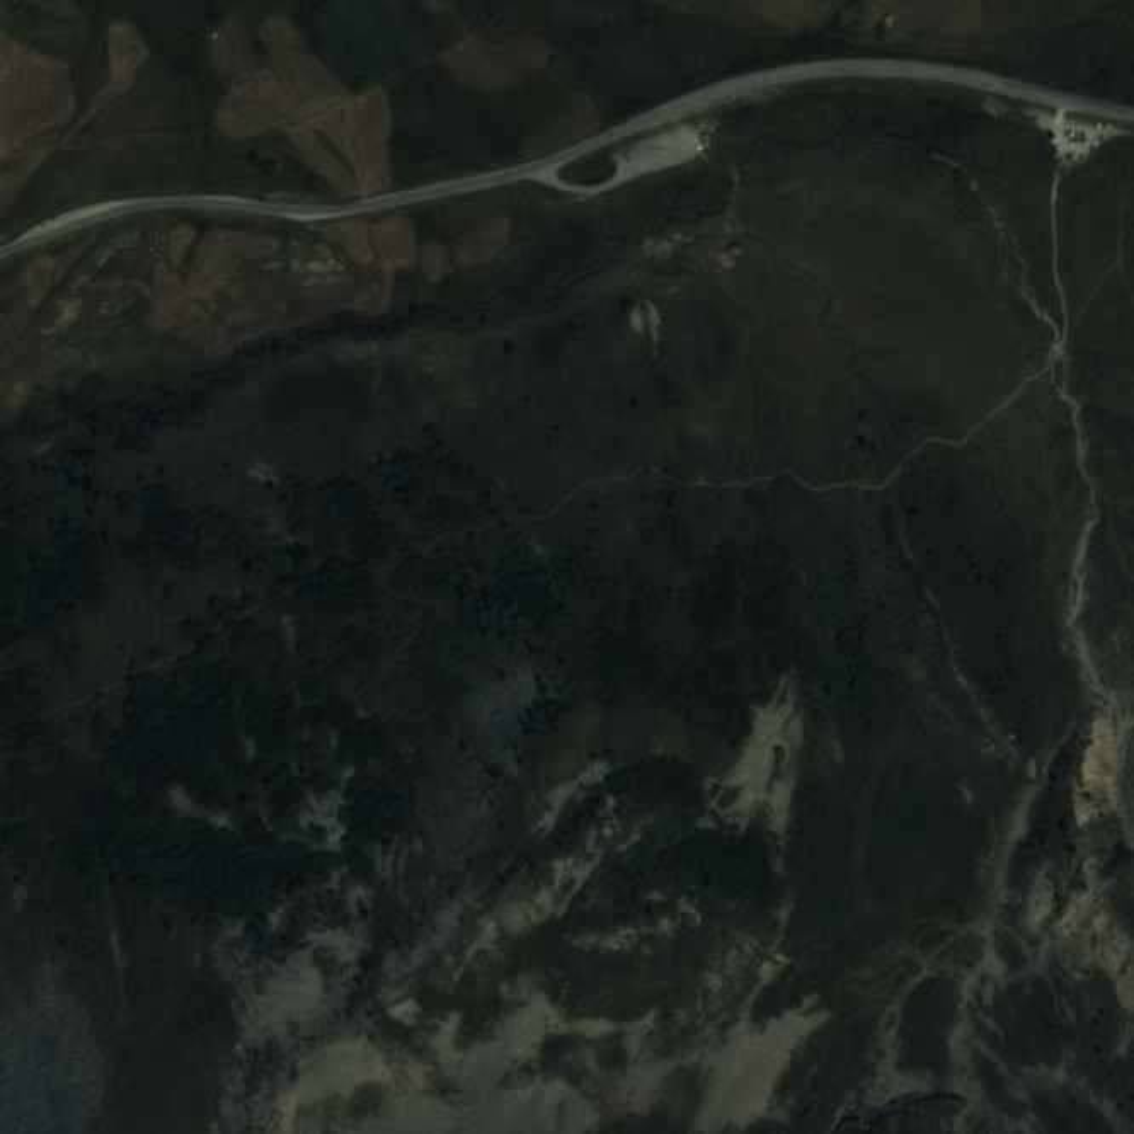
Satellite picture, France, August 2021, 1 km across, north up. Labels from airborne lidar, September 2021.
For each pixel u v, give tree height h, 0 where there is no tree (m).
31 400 0
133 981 0
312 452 0
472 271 0
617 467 0
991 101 0
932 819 0
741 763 0
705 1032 0
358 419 0
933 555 7
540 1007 0
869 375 0
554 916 0
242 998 0
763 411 0
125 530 0
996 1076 0
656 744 0
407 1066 0
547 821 0
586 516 0
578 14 0
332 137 0
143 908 0
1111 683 0
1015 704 0
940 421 0
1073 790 0
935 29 0
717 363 0
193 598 0
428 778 0
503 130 0
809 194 0
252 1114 0
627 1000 0
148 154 0
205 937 0
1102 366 0
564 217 0
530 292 0
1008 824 0
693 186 0
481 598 7
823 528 0
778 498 0
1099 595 0
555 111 0
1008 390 0
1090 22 0
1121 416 0
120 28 0
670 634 0
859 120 0
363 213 0
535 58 0
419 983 0
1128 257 0
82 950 0
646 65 0
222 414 0
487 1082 0
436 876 0
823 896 0
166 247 0
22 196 0
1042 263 0
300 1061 0
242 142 0
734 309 0
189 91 0
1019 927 0
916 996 0
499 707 0
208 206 0
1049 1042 0
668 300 0
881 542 0
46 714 0
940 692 0
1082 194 0
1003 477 0
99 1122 0
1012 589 0
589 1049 0
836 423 0
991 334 0
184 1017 0
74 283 0
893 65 0
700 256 0
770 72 0
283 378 0
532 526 0
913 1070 0
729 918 0
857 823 0
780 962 0
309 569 16
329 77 0
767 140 0
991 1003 0
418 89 0
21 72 0
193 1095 0
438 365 0
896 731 0
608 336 0
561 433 8
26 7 0
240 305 0
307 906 0
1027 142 0
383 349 0
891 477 0
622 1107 0
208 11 0
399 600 0
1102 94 0
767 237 0
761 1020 0
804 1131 0
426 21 0
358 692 0
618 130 0
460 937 0
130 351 0
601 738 0
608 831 0
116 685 0
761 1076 0
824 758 0
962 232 0
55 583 6
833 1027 0
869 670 9
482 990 0
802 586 0
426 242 0
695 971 0
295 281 0
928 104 0
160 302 0
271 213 0
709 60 0
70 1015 0
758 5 0
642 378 0
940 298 0
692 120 0
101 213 0
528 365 0
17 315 0
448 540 0
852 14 0
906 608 0
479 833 0
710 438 0
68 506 0
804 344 0
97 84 0
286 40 0
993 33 0
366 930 0
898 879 0
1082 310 0
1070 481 0
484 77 0
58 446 0
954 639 0
